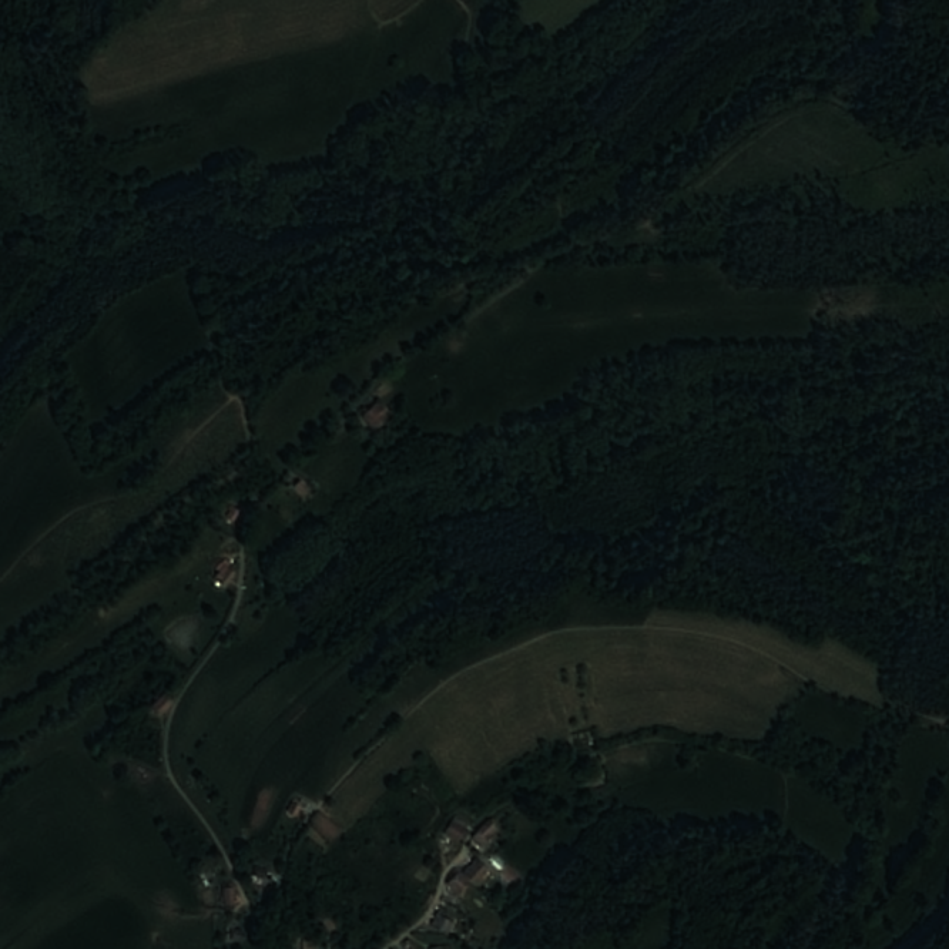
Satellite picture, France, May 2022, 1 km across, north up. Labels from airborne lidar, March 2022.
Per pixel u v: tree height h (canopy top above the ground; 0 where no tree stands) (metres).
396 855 0
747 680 0
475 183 15
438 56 0
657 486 8
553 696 0
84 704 25
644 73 25
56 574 0
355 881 0
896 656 18
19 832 0
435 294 15
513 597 29
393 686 14
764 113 27
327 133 0
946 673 24
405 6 0
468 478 30
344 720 0
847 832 0
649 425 31
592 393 26
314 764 0
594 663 0
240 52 0
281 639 0
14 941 0
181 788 0
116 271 16
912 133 24
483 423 0
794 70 20
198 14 0
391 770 0
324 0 0
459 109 30
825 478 31
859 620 14
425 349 26
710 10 26
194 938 0
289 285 18
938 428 22
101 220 27
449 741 0
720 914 15
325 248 24
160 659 22
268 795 0
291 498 0
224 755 0
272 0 0
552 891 25
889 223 15
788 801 0
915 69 18
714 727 0
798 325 0
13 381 32
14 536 0
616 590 25
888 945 0
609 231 24
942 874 0
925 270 17
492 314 0
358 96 0
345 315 23
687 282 0
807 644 14
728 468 10
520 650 0
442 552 28
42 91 21
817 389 28
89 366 0
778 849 19
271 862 0
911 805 0
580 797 13
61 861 0
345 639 12
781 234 18
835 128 0
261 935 23
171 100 0
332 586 29
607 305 0
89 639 0
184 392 11
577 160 23
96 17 6
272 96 0
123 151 5
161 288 0
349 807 0
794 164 0
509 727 0
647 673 0
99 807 0
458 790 0
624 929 25
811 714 0
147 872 0
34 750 0
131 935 0
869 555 24
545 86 23
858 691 0
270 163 0
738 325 0
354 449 0
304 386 0
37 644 18
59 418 19
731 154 0
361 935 0
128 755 9
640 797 0
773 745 17
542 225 0
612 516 11
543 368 0
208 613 21
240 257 27
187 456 0
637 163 8
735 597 8
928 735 0
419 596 0
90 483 0
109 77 0
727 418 13
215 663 0
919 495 13
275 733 0
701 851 16
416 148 20
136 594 0
